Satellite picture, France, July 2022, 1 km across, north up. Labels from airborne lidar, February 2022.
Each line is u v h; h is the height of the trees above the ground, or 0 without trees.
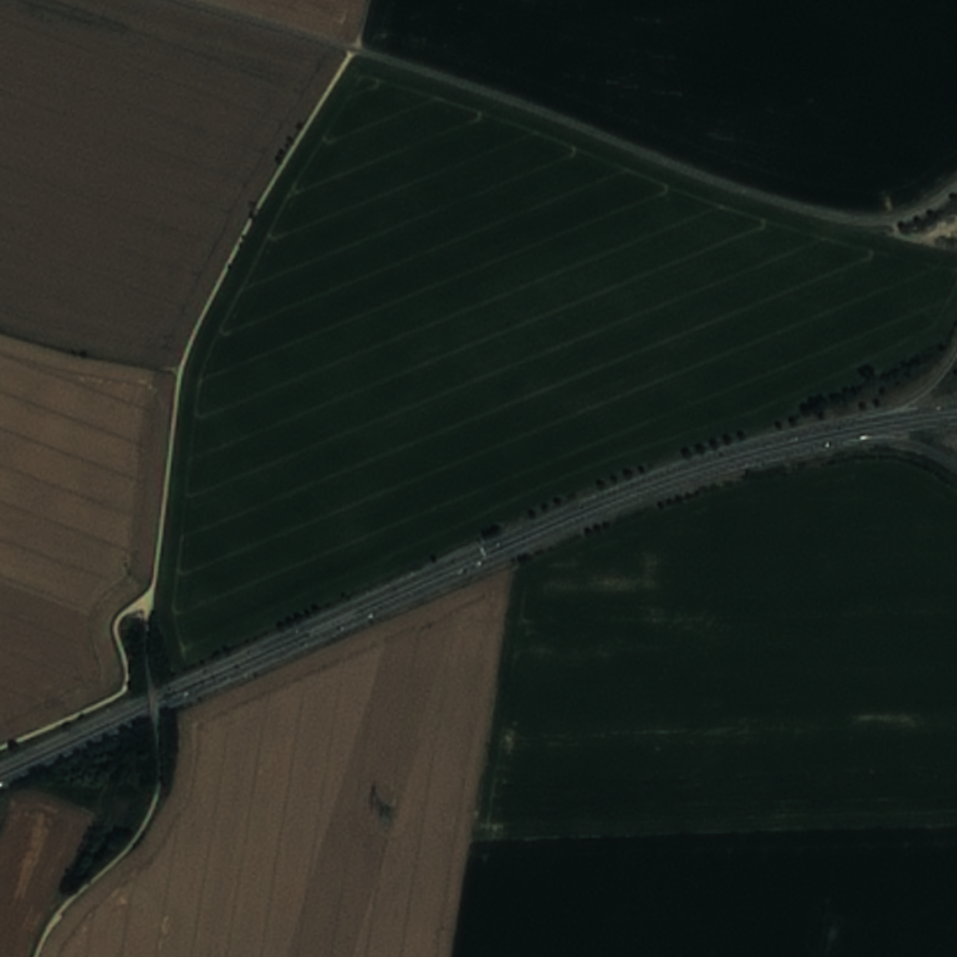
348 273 0
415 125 0
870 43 0
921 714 0
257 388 0
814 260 0
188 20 0
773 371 0
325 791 0
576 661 0
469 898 0
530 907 0
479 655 0
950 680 0
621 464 0
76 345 0
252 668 0
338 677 0
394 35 0
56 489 0
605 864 0
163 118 0
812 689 0
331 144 0
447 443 0
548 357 0
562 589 0
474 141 0
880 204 0
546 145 0
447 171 0
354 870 0
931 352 0
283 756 0
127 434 0
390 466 0
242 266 0
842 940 0
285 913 0
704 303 0
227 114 0
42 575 0
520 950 0
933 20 0
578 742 0
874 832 0
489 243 0
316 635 0
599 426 0
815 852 0
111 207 0
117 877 0
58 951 0
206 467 0
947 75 0
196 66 0
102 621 0
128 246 0
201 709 0
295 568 0
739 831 0
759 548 0
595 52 0
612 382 0
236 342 0
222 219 0
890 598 0
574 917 0
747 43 0
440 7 0
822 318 0
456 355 0
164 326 0
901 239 0
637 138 0
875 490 0
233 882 0
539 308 0
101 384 0
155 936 0
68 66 0
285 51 0
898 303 0
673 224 0
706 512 0
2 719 0
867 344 0
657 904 0
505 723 0
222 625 0
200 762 0
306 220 0
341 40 0
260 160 0
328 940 0
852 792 0
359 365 0
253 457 0
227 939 0
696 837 0
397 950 0
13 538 0
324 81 0
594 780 0
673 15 0
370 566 0
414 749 0
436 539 0
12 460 0
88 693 0
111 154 0
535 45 0
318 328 0
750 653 0
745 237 0
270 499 0
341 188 0
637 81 0
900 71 0
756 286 0
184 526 0
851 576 0
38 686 0
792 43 0
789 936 0
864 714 0
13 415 0
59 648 0
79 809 0
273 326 0
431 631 0
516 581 0
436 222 0
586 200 0
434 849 0
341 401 0
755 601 0
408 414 0
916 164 0
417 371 0
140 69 0
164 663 11
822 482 0
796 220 0
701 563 0
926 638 0
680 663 0
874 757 0
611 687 0
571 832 0
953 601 0
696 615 0
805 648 0
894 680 0
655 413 0
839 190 0
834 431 0
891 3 0
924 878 0
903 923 0
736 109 0
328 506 0
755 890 0
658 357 0
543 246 0
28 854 0
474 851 0
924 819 0
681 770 0
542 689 0
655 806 0
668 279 0
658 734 0
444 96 0
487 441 0
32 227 0
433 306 0
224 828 0
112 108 0
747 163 0
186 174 0
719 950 0
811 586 0
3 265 0
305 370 0
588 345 0
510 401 0
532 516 9
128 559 0
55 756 0
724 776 0
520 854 0
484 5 0
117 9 0
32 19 0
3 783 0
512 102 0
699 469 0
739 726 0
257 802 0
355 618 0
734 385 0
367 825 0
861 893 0
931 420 0
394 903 0
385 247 0
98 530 0
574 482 0
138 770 11
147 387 0
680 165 0
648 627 0
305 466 0
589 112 0
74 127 0
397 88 0
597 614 0
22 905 0
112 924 0
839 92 0
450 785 0
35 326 0
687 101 0
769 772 0
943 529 0
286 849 0
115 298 0
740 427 0
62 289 0
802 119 0
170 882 0
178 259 0
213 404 0
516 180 0
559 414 0
